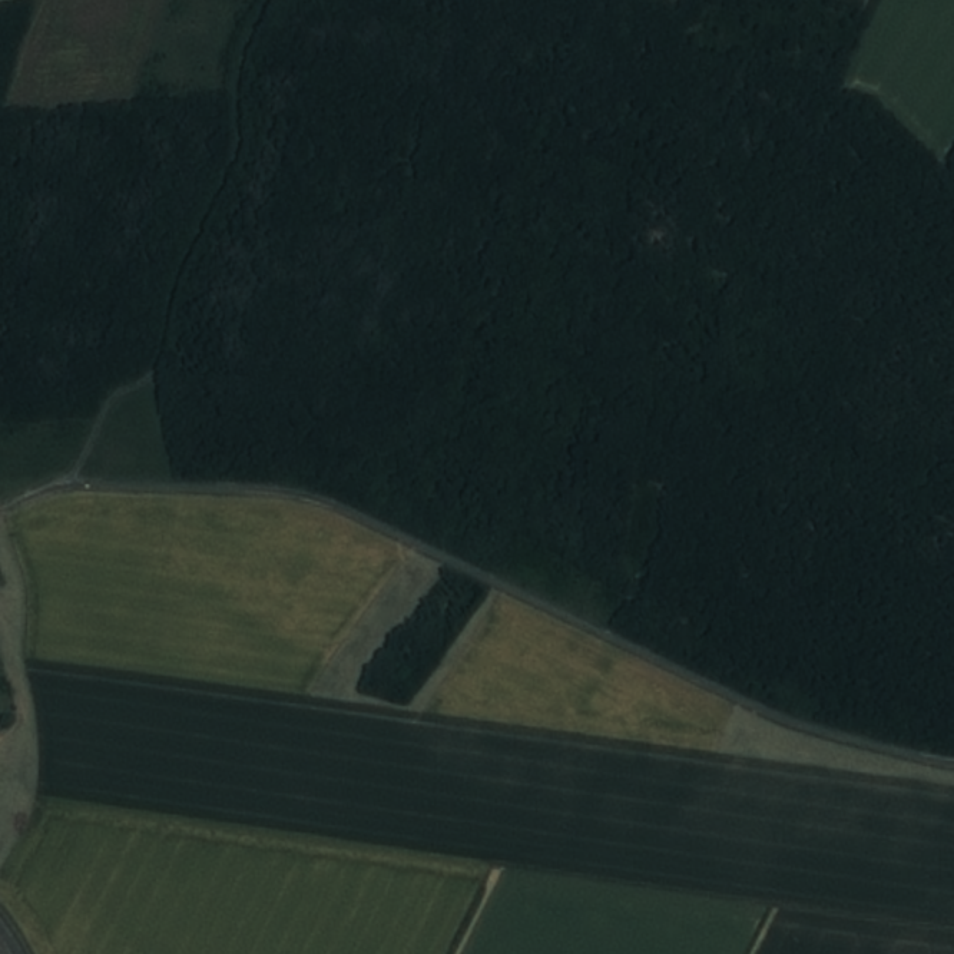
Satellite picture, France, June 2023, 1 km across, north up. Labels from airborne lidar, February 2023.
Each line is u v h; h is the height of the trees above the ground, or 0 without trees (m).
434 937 0
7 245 6
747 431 19
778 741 0
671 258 20
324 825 0
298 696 0
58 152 14
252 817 0
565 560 10
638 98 20
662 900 0
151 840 0
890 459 16
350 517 0
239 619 0
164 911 0
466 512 7
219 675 0
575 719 0
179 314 14
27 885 0
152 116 12
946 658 21
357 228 15
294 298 17
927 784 0
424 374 22
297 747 0
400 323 19
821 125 18
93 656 0
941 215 24
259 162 5
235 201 18
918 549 19
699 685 0
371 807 0
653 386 20
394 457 18
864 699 18
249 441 20
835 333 19
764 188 15
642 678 0
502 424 17
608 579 16
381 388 17
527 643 0
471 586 14
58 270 14
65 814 0
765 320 16
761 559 21
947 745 18
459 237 23
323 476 16
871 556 21
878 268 21
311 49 15
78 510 0
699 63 21
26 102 0
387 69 18
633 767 0
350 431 18
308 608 0
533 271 20
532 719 0
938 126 0
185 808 0
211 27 0
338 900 0
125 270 12
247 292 18
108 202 16
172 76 0
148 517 0
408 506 15
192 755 0
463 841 0
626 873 0
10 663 0
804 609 19
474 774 0
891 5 0
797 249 15
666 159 20
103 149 11
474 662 0
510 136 18
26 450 0
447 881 0
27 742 0
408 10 18
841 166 19
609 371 20
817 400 20
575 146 20
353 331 22
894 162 20
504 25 21
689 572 18
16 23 12
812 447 19
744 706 0
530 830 0
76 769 0
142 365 16
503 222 12
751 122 19
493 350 21
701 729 0
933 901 0
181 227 15
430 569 0
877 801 0
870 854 0
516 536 15
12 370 20
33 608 0
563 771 0
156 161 9
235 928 0
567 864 0
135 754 0
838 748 0
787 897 0
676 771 0
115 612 0
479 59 17
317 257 15
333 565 0
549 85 18
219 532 0
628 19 21
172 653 0
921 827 0
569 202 20
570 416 20
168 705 0
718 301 17
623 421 21
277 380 22
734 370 17
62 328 15
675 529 17
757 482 18
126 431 0
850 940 0
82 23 0
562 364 20
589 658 0
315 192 16
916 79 0
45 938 0
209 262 16
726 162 21
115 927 0
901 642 23
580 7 24
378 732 0
